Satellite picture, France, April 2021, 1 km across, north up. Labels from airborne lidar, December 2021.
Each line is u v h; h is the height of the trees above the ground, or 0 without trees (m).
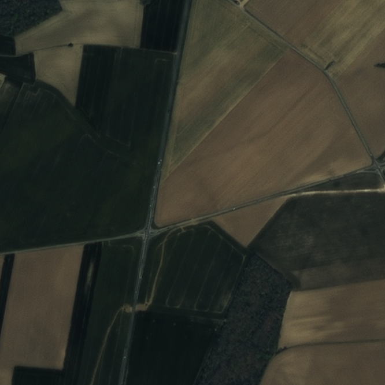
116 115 0
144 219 0
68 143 0
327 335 0
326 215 0
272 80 0
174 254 0
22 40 0
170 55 0
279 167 0
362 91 0
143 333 0
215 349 10
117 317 0
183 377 0
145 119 0
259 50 0
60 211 0
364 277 0
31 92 0
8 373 0
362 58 0
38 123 0
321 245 0
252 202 0
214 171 0
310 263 0
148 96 0
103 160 0
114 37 0
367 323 0
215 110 0
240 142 0
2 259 0
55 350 0
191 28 0
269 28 0
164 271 0
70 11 0
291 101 0
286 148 0
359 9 0
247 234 0
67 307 0
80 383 0
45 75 0
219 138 0
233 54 0
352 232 0
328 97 0
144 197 0
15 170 0
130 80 0
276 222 0
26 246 0
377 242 0
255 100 0
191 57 0
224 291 0
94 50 0
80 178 0
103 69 0
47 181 0
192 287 0
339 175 0
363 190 0
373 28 0
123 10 0
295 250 0
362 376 0
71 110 0
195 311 0
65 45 0
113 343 0
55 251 0
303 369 0
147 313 0
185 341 0
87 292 0
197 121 0
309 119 0
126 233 0
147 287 0
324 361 0
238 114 0
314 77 0
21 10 21
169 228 0
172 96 0
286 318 0
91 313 0
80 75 0
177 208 0
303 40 0
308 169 0
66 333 0
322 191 0
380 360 0
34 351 0
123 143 0
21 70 0
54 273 0
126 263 0
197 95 0
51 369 0
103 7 0
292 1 0
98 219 0
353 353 0
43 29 0
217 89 0
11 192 0
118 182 0
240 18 0
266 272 17
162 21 0
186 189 0
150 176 0
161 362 0
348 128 0
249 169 0
